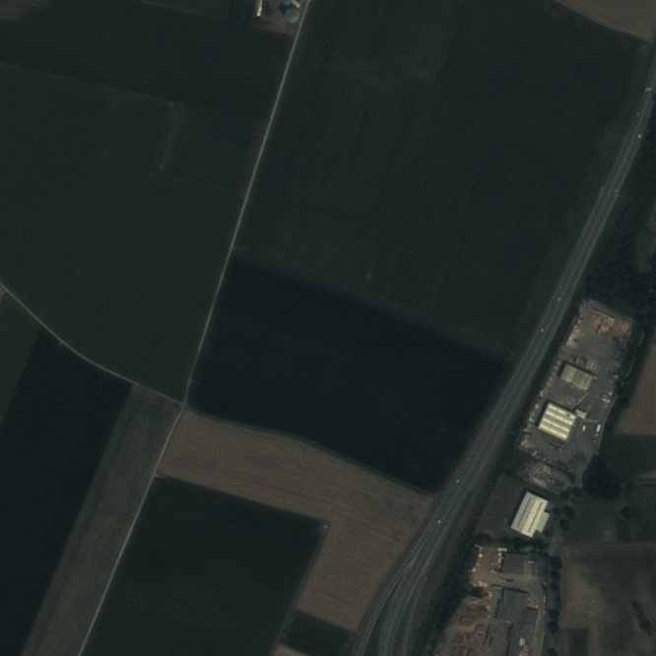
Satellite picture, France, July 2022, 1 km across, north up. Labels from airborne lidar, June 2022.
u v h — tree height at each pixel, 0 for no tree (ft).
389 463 0
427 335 0
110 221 0
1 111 0
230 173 0
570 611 0
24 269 0
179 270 0
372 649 0
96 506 0
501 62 0
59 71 0
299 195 0
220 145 0
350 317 0
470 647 0
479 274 0
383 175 0
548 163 0
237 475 0
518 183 0
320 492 0
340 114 0
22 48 0
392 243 0
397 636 0
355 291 0
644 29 0
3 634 0
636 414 0
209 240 0
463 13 0
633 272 44
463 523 0
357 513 0
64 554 0
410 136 0
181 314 0
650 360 0
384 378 0
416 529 0
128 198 0
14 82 0
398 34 0
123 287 0
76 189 0
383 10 0
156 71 0
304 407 0
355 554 0
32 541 0
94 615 0
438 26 0
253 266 0
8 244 0
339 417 0
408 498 0
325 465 0
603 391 0
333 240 0
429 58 0
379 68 0
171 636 0
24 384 0
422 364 0
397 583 0
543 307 0
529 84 0
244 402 0
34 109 0
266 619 0
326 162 0
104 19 0
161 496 0
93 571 0
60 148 0
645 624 40
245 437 0
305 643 0
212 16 0
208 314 0
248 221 0
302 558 0
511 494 0
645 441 0
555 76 0
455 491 0
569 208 0
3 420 0
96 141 0
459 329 0
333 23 0
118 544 0
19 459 0
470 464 0
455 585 60
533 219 0
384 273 0
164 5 0
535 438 0
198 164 0
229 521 0
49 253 0
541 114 0
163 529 0
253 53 0
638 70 0
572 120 0
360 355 0
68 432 0
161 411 0
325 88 0
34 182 0
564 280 0
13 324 0
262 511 0
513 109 0
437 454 0
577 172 0
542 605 0
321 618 0
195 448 0
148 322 0
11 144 0
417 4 0
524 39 0
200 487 0
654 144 19
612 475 21
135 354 0
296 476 0
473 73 0
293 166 0
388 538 0
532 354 0
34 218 0
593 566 0
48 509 0
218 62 0
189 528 0
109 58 0
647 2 0
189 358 0
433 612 0
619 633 0
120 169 0
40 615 0
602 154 0
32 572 0
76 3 0
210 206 0
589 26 0
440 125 0
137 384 0
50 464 0
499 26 0
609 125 0
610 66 0
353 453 0
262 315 0
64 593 0
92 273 0
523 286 0
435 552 0
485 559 0
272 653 0
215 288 0
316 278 0
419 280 0
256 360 0
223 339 0
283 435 0
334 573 0
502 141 0
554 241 0
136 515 0
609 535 0
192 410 0
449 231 0
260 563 0
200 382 0
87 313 0
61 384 0
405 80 0
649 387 0
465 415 0
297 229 0
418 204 0
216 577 0
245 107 0
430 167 0
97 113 0
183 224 0
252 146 0
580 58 0
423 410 0
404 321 0
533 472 0
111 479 0
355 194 0
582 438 0
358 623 0
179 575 0
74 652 0
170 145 0
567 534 0
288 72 0
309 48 0
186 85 0
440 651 0
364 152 0
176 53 0
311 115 0
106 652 0
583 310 0
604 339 0
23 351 0
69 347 0
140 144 0
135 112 0
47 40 0
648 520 0
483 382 0
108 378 0
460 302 0
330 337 0
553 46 0
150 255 0
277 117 0
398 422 0
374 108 0
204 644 0
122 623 0
